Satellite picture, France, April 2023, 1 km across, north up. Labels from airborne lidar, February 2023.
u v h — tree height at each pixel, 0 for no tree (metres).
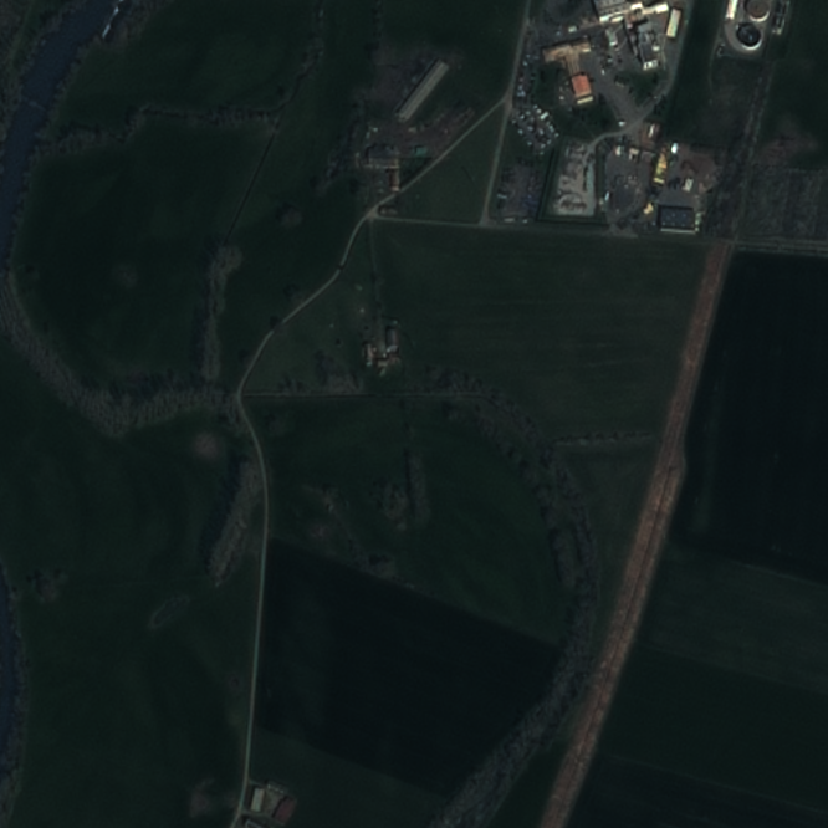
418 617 0
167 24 0
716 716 0
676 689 0
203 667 0
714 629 0
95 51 0
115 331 0
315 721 0
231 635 0
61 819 0
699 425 0
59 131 0
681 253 0
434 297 0
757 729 0
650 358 0
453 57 0
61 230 0
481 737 0
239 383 0
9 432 0
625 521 0
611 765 0
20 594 12
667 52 0
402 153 0
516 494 0
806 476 0
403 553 0
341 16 0
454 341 0
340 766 0
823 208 0
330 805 0
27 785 0
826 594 0
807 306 0
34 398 0
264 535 0
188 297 0
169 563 0
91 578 0
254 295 0
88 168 0
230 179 0
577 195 0
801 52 0
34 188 0
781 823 0
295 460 0
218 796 0
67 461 0
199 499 0
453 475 0
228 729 0
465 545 0
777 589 0
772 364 0
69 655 0
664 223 0
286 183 0
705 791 0
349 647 0
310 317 0
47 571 0
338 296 0
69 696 0
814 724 0
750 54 0
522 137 6
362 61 0
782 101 0
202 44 0
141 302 0
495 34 0
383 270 0
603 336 0
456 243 0
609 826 0
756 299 0
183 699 0
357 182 0
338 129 0
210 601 0
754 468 0
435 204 0
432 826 12
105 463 0
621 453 0
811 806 0
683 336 0
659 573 0
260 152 0
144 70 0
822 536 0
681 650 0
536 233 0
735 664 0
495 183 0
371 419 0
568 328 0
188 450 0
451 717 0
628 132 0
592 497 0
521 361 0
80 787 0
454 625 0
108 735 0
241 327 0
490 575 0
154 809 0
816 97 0
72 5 15
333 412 0
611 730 0
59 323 0
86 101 0
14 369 0
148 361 0
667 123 0
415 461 21
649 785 0
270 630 0
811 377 0
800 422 0
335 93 0
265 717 0
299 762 0
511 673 0
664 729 0
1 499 0
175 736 0
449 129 0
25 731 16
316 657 0
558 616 0
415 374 0
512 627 0
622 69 0
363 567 15
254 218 0
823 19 0
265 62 0
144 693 0
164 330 0
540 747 13
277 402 0
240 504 38
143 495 0
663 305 0
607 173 0
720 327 0
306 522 0
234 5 0
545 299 0
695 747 0
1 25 25
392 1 0
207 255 0
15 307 33
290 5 0
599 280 0
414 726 0
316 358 0
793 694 0
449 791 0
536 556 0
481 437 13
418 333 0
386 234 0
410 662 0
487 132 0
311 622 0
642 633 0
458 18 0
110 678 0
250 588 0
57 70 0
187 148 0
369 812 0
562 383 0
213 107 0
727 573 0
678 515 0
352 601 0
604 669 11
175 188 0
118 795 0
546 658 0
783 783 0
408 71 0
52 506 0
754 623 0
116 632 0
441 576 0
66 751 0
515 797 0
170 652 0
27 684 8
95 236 0
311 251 0
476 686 0
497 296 0
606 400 0
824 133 0
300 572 0
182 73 0
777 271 0
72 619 0
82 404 38
